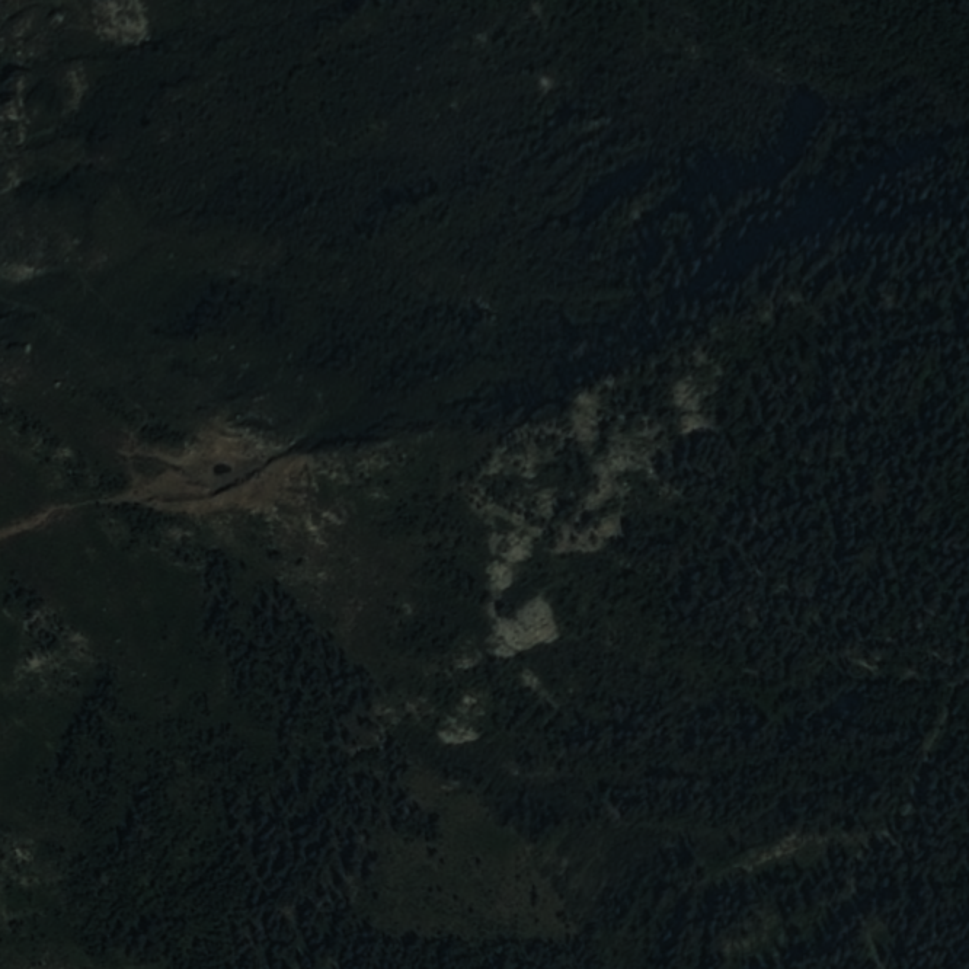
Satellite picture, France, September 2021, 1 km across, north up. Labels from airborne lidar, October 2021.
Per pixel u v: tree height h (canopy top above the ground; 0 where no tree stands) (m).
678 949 27
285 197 9
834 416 29
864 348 26
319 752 8
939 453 8
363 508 0
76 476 7
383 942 6
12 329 0
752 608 31
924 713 12
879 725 15
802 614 29
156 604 0
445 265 0
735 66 8
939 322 32
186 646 0
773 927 0
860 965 8
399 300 8
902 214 12
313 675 25
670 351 9
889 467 22
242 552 0
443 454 0
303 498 0
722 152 6
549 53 7
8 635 0
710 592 28
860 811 15
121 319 0
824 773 7
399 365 6
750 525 27
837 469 11
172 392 0
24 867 10
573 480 7
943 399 8
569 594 12
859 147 10
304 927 30
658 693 9
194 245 0
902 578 12
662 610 11
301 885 25
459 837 0
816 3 6
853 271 11
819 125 37
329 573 0
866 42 11
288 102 7
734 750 29
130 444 0
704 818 7
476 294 0
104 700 9
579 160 6
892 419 7
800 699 12
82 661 0
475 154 8
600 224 9
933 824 31
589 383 9
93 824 11
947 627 12
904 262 24
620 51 10
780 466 7
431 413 0
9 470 0
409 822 17
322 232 7
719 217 7
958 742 12
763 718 7
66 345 0
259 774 9
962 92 10
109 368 0
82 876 7
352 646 0
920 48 12
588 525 22
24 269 0
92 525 0
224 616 19
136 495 0
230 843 8
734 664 15
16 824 0
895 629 10
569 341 6
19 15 0
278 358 0
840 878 25
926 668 8
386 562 0
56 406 0
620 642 9
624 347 7
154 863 12
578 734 7
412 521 10
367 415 0
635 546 10
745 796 13
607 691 7
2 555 0
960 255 24
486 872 0
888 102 8
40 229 0
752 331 10
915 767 17
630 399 17
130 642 0
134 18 0
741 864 0
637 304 6
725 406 9
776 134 7
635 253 9
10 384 0
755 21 10
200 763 9
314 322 0
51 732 0
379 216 7
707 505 11
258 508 0
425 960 16
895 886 26
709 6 6
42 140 0
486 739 7
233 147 7
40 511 0
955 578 34
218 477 0
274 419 0
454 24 8
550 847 10
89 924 11
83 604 0
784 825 7
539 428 9
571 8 13
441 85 8
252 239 0
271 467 0
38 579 0
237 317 0
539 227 8
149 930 30
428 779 0
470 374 0
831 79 8
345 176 6
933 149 7
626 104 13
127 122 0
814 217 6
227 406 0
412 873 0
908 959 28
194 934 6
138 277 0
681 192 7
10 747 0
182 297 0
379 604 0
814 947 7
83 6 0
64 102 0
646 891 11
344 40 0
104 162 0
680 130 8
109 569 0
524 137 7
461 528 7
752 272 31
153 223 0
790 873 13
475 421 0
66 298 0
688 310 24
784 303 22
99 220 0
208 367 0
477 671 10
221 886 10
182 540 8
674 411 6
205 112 7
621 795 14
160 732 9
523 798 10
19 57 0
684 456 27
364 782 19
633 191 11
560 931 0
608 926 9
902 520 7
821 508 14
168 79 5
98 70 0
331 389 0
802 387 17
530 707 14
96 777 9
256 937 27
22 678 0
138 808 23
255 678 13
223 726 5
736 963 7
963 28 10
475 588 22
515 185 6
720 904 19
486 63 7
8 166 0
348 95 7
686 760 26
